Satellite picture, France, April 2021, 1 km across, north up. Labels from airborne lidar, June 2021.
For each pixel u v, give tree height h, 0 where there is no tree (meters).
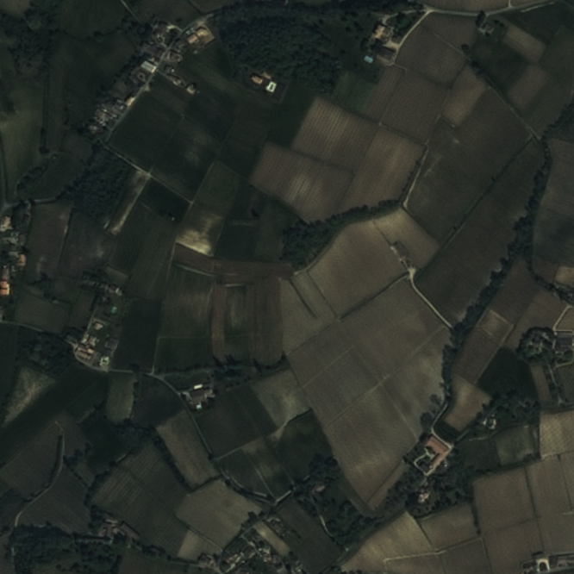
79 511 0
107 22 0
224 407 0
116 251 0
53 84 0
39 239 0
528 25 0
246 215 0
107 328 0
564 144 0
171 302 0
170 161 0
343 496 0
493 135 0
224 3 0
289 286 0
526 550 0
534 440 0
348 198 0
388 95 0
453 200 0
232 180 0
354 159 0
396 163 0
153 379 0
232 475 0
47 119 0
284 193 0
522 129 0
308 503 6
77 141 0
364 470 0
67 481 0
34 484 0
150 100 0
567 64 0
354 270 0
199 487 0
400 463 0
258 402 0
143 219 0
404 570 0
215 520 0
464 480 13
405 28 8
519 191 0
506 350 0
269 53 12
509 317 0
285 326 0
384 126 0
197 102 0
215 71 0
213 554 0
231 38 20
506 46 0
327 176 0
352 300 0
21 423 0
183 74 0
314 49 8
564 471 0
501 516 0
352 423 0
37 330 0
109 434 0
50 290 6
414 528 0
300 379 0
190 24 0
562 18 0
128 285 0
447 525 0
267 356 0
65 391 0
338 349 0
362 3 16
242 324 0
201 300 0
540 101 0
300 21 15
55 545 13
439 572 0
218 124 0
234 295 0
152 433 15
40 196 0
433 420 15
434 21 0
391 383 0
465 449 0
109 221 0
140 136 0
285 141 0
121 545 22
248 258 0
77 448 0
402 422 0
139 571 0
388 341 0
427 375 0
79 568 8
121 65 0
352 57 0
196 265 0
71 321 0
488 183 0
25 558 6
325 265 0
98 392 0
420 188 0
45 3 26
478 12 0
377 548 0
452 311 0
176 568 0
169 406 0
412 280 0
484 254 0
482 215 0
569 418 0
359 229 0
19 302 0
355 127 0
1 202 0
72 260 0
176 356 0
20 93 0
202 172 0
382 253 0
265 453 0
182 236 0
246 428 0
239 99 0
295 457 0
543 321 0
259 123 0
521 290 0
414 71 0
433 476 6
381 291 0
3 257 9
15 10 0
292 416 0
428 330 0
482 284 0
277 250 0
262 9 16
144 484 0
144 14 0
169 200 0
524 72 0
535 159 0
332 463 8
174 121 0
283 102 0
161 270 0
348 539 10
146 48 0
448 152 0
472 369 0
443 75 0
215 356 0
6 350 0
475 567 0
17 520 0
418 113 0
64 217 0
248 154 0
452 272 0
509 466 0
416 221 0
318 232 15
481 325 0
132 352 0
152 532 0
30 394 0
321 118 0
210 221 0
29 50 12
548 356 16
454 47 0
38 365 14
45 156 16
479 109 0
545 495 0
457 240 0
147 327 0
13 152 0
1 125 0
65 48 0
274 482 0
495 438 0
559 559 0
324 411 0
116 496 0
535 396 0
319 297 0
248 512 0
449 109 0
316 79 14
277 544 0
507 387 0
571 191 0
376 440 0
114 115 0
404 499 11
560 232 0
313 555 0
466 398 0
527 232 11
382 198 0
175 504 0
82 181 10
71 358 16
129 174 8
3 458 0
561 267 0
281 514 0
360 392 0
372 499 0
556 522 0
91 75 0
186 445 0
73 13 0
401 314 0
